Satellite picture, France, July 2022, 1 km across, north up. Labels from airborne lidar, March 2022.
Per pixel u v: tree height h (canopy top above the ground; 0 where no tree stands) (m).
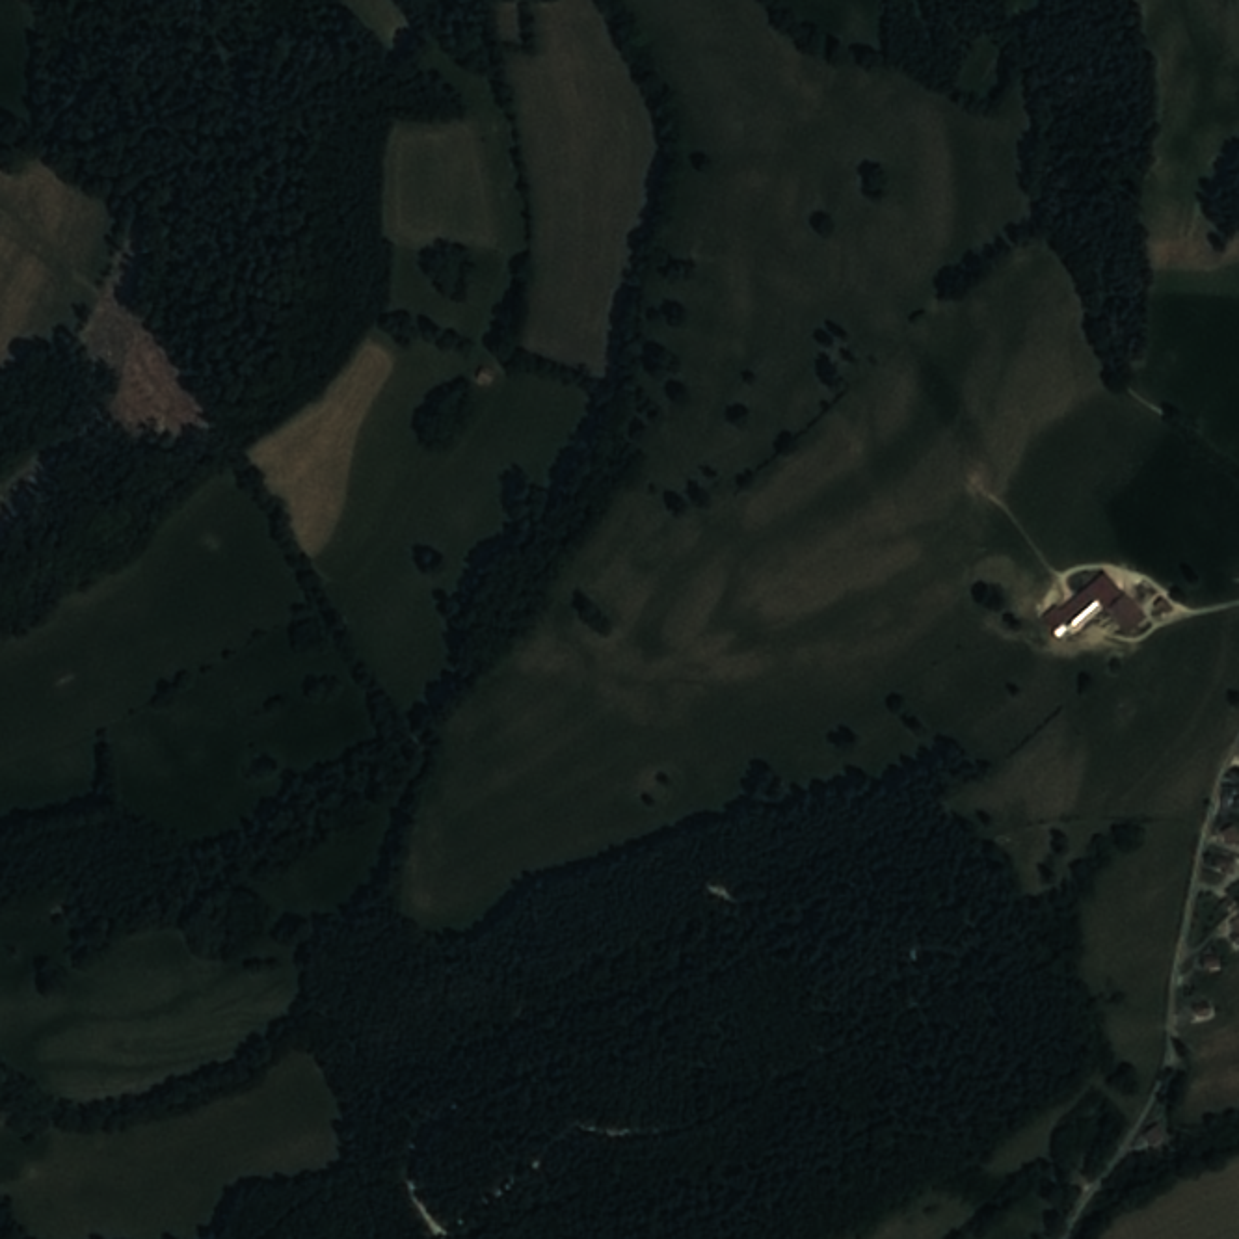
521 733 0
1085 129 17
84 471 25
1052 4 23
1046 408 0
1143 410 0
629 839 0
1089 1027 21
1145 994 0
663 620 0
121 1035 0
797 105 0
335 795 16
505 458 0
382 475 0
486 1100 25
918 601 0
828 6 0
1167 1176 20
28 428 16
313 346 18
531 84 0
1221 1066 0
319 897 0
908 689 0
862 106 0
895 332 0
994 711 0
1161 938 0
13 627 27
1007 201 0
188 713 0
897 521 0
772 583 0
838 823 26
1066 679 0
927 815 30
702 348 0
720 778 0
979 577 0
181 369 22
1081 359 0
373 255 19
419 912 0
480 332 0
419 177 0
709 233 0
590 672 0
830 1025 20
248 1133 0
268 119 31
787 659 0
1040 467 0
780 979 14
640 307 25
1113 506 0
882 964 27
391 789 9
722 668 0
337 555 0
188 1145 0
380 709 18
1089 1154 7
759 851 21
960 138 0
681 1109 14
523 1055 29
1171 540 0
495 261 0
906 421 0
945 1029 27
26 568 25
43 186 0
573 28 0
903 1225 0
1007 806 0
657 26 0
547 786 0
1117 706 0
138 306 28
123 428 22
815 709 0
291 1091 0
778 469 0
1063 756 0
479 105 0
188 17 34
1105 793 0
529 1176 28
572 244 0
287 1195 18
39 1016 0
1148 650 0
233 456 27
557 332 0
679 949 19
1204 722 0
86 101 30
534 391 0
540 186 0
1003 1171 0
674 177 20
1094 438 0
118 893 14
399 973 23
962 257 0
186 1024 0
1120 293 25
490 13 22
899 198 0
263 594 0
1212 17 0
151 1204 0
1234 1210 0
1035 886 0
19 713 0
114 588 0
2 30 0
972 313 0
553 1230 17
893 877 32
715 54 0
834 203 0
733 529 0
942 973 25
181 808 0
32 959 0
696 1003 17
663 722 0
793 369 0
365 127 20
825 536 0
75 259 0
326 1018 16
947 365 0
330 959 19
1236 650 0
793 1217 27
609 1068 26
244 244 29
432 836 0
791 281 0
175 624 0
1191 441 7
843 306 0
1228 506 0
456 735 0
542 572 23
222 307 23
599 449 28
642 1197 18
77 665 0
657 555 0
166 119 26
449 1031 18
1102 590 0
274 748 0
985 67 0
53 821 19
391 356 0
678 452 0
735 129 0
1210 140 0
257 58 28
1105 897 0
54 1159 0
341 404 0
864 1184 15
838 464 0
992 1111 25
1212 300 0
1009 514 0
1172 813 0
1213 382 0
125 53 30
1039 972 30
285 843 24
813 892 31
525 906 17
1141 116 25
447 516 0
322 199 15
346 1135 23
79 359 9
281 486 0
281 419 17
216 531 0
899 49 12
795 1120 26
